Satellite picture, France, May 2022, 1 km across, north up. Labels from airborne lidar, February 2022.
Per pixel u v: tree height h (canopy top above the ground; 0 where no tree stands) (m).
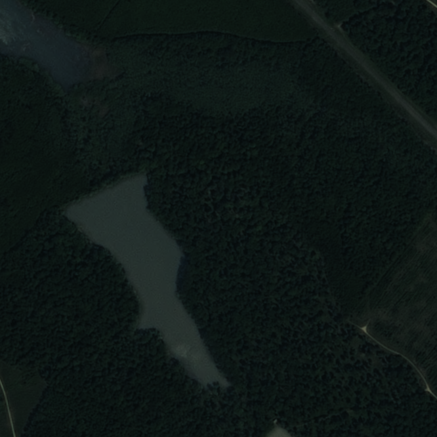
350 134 23
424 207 25
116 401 26
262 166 25
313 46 18
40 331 25
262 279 26
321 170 24
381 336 0
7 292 22
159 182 26
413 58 24
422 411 22
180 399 16
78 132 25
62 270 25
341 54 0
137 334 18
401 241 25
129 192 0
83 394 27
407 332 0
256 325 26
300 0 0
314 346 24
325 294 25
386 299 0
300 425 0
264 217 29
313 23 0
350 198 25
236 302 24
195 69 19
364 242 24
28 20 0
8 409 0
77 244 29
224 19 6
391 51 26
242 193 29
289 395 0
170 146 25
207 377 0
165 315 0
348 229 22
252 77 25
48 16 16
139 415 25
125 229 0
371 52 25
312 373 23
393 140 23
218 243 24
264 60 17
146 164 21
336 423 23
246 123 26
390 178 27
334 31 0
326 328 29
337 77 23
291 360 26
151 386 25
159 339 16
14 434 0
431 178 24
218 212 25
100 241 0
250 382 24
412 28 25
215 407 29
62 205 6
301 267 27
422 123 0
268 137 25
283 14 7
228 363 22
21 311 25
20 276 12
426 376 0
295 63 21
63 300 28
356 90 23
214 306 25
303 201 26
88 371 25
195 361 0
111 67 0
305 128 27
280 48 19
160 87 19
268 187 25
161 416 22
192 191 25
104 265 23
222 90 24
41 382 0
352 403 22
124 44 17
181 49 6
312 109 25
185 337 0
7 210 9
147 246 0
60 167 11
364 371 24
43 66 0
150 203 22
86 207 0
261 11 8
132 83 20
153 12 7
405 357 0
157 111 23
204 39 22
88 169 23
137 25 8
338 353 0
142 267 0
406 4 25
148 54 21
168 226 13
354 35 26
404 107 0
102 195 0
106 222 0
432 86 18
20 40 0
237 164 25
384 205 25
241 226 25
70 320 27
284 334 26
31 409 0
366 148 27
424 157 25
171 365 25
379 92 0
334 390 20
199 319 25
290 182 26
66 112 24
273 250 26
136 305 20
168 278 0
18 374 0
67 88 0
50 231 27
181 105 22
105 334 28
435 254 0
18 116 11
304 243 28
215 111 23
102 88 8
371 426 25
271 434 0
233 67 21
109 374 28
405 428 27
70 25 16
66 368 27
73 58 0
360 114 25
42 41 0
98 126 11
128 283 13
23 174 8
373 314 0
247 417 22
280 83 28
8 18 0
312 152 27
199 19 6
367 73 0
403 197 23
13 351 26
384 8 27
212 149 31
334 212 25
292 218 23
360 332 0
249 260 26
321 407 24
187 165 27
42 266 27
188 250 21
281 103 27
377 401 20
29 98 13
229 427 31
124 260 0
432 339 0
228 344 24
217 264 21
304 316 28
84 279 30
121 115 15
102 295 28
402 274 0
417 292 0
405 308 0
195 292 19
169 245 0
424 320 0
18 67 10
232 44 19
